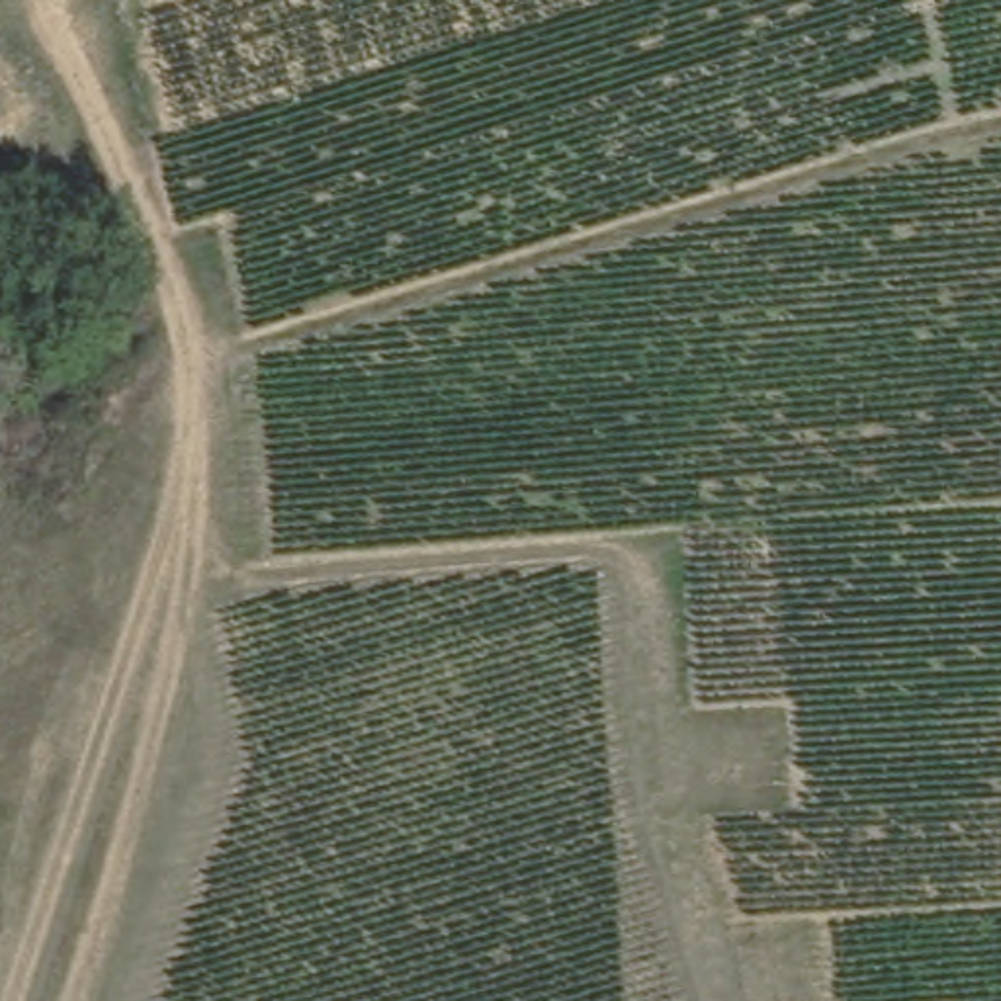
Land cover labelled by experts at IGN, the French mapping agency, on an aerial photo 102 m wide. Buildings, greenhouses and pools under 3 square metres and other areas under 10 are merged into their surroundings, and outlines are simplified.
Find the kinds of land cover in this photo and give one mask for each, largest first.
<instances>
[{"label":"vineyard","instance_id":"1","mask_svg":"<svg viewBox=\"0 0 1001 1001\"><path fill-rule=\"evenodd\" d=\"M156 4L152 43L168 59V94L184 121V129H160L152 141L164 164L168 199L180 219H199L215 211L235 215V250L250 317L246 332L254 344L262 340L266 348V356H258V399L270 454L274 547L282 555L493 536L602 532L676 520L688 524L684 536H657L641 547L653 571L661 575L673 606L676 704L790 696L798 708V766L805 770L802 809H774L770 821L747 813L716 821L731 876L739 884V911H813V923H829L837 954V1001H1001V0H149ZM223 630L235 661L231 684L242 696V743L250 766L239 798L231 802V821L223 829L219 852L207 864L203 899L188 915L184 954L168 970V989L160 993V1001H622L614 880L618 849L602 727L598 583L594 571L544 567L489 571L477 579L442 575L422 583L383 579L371 587L332 583L317 590H262L223 610Z\"/></svg>","mask_w":1001,"mask_h":1001},{"label":"herbaceous vegetation","instance_id":"2","mask_svg":"<svg viewBox=\"0 0 1001 1001\"><path fill-rule=\"evenodd\" d=\"M27 164L59 176L63 196L74 207L70 215H78L90 196H102L109 188L63 74L55 70L51 55L31 31L27 0H0V176L20 172ZM156 4L149 0H74V31L125 129L133 160L145 172V196L156 203L168 199L164 164L152 141L160 129H184V121L168 94V59L152 43ZM176 254L199 301L203 332L227 340L223 375L207 391V434L211 524L223 536L231 567L227 579L203 583V602L196 610V630L184 649L180 692L168 716L152 794L141 817L129 884L90 1001H160V993L168 989V970L184 954L188 915L203 899L207 864L219 852L223 829L231 821V802L239 798L250 766L242 743V696L231 684L235 661L223 630V610L262 590H317L332 583L371 587L383 579L422 583L442 575L477 579L489 571L544 567L594 571L598 583L602 727L618 849L614 880L622 1001H837V954L829 923H813V911H739V884L731 876L716 821L747 813L770 821L774 809H802L805 770L798 766V708L790 696L676 704L673 606L661 575L653 571L641 547L657 536H684L688 524L676 520L602 532L493 536L282 555L274 547L270 454L258 399V356H266V348L262 340L254 344L246 332L250 317L235 250V215L215 211L199 219H180ZM133 328L152 332L160 344L141 360L129 383L106 395V407L94 422L66 430L63 418H47L43 411H0V931H20L27 919L35 876L74 770L78 739L86 731V712L98 700V680L109 665L113 637L129 606L137 567L149 547V532L160 504L164 465L172 450V348L156 297L133 313ZM141 731V716L125 708L27 1001H59L74 958V942L86 927V911L102 876V860L109 849L113 817Z\"/></svg>","mask_w":1001,"mask_h":1001},{"label":"pervious surface","instance_id":"3","mask_svg":"<svg viewBox=\"0 0 1001 1001\"><path fill-rule=\"evenodd\" d=\"M74 0H27L31 31L51 55L55 70L63 74L109 188L129 192L145 223V235L152 239L156 297L172 348V450L164 465L160 504L149 532V547L137 567L129 606L113 637L109 665L98 680V700L86 712V731L78 739L74 770L35 876L27 919L20 931H0V1001H27L125 708L141 716V731L113 817L109 849L102 860V876L86 911V927L74 942V958L59 1001H90L129 884L141 817L152 794L168 716L180 692L184 649L196 630V610L203 602V583L227 579L231 567L223 536L211 524L207 434V391L223 375L227 340L203 332L199 301L176 254L180 219L168 199L156 203L145 196V172L133 160L125 129L74 31Z\"/></svg>","mask_w":1001,"mask_h":1001},{"label":"deciduous trees","instance_id":"4","mask_svg":"<svg viewBox=\"0 0 1001 1001\"><path fill-rule=\"evenodd\" d=\"M74 207L63 196L59 176L27 164L20 172L0 176V340L23 344V352L39 348V375L55 387L90 379L109 352H121L129 344L133 328V313L156 297L152 239L145 235V223L129 192L109 188L102 196H90L78 215H70Z\"/></svg>","mask_w":1001,"mask_h":1001},{"label":"brushwood","instance_id":"5","mask_svg":"<svg viewBox=\"0 0 1001 1001\"><path fill-rule=\"evenodd\" d=\"M160 344L152 332L133 328L129 344L121 352H109L90 379L55 387L39 375L23 371L16 391H0V411H43L47 418H63L66 430L94 422L106 407V395L129 383L141 360Z\"/></svg>","mask_w":1001,"mask_h":1001},{"label":"coniferous trees","instance_id":"6","mask_svg":"<svg viewBox=\"0 0 1001 1001\"><path fill-rule=\"evenodd\" d=\"M23 371L39 375V348L23 352V344L0 340V391H16Z\"/></svg>","mask_w":1001,"mask_h":1001}]
</instances>
